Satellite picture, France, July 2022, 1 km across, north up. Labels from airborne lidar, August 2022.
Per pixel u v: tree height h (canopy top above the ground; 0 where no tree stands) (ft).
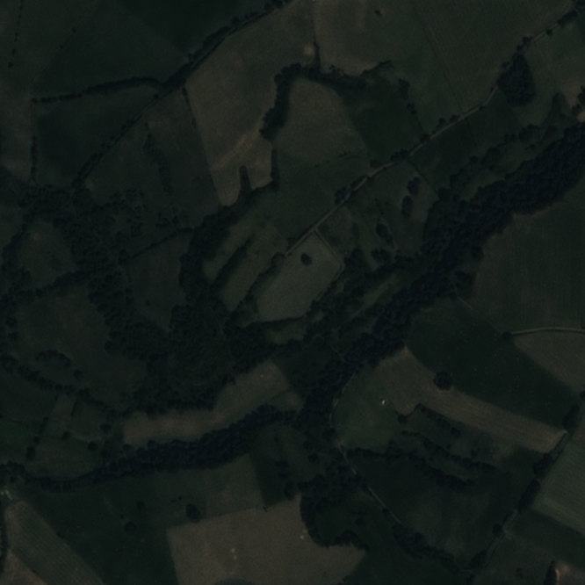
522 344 0
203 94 0
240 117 0
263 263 0
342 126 0
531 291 0
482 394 0
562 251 0
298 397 0
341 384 25
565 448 0
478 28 0
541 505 0
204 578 0
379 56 0
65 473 0
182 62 0
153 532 0
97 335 0
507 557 0
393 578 0
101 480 62
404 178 0
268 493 0
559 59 0
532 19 0
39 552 0
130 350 74
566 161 55
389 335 62
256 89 0
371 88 0
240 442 96
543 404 0
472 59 0
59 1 0
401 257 34
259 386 0
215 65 0
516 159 0
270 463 0
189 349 42
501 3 0
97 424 0
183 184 0
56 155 0
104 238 49
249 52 0
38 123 0
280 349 18
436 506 0
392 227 0
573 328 0
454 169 0
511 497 0
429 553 45
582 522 0
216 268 0
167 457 100
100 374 0
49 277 0
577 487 0
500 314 0
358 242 0
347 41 0
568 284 0
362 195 0
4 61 0
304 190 0
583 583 0
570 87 0
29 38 0
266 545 0
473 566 48
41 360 48
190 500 0
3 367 53
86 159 0
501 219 65
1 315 65
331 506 37
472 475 0
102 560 0
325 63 0
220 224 47
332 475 28
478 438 0
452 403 0
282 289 0
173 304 0
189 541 0
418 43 0
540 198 73
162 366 69
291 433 0
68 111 0
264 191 23
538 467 65
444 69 0
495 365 0
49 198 39
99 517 0
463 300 0
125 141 0
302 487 64
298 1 0
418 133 0
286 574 0
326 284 0
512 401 0
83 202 64
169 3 0
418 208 0
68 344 0
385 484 0
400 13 0
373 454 50
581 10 50
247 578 0
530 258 0
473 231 75
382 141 0
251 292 27
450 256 71
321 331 36
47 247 0
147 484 0
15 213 0
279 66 0
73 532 0
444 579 0
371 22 0
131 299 35
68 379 0
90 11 0
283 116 44
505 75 45
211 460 74
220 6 0
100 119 0
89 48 0
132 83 41
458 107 0
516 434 0
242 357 76
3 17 0
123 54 0
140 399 56
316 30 0
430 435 0
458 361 0
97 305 48
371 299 0
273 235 0
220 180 0
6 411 0
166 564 0
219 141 0
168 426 0
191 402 30
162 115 0
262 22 0
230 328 76
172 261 0
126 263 55
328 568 0
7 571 0
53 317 0
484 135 0
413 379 0
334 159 0
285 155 0
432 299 54
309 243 0
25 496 0
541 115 0
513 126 0
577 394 0
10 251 53
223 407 0
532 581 0
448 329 0
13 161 0
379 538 0
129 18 0
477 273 0
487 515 0
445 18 0
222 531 0
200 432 0
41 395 0
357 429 0
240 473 0
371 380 0
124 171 0
